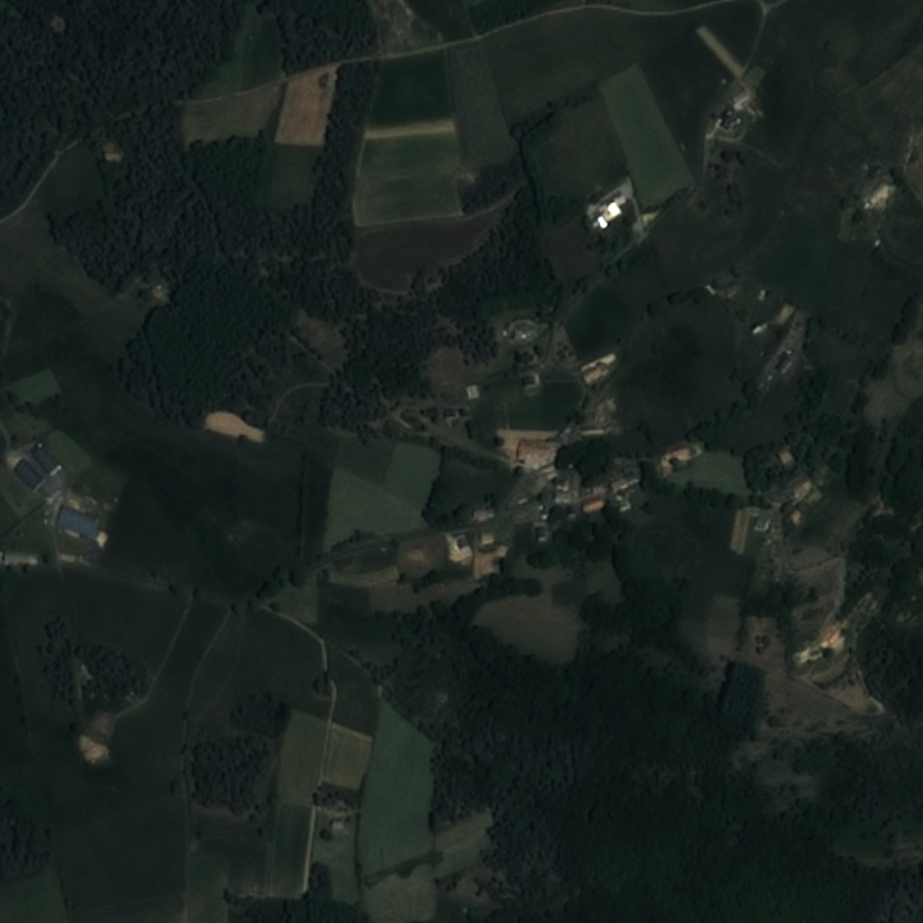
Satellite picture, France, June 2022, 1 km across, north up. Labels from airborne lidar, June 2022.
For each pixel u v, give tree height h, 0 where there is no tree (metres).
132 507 0
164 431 0
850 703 0
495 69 0
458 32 0
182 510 0
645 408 0
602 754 18
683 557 0
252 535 0
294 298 13
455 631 14
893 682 12
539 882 12
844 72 0
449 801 6
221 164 22
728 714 25
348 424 20
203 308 27
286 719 10
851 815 15
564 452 16
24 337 0
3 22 23
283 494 0
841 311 0
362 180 0
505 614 0
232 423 0
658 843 22
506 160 0
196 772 10
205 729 6
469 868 0
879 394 0
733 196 8
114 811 0
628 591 13
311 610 0
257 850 0
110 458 0
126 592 0
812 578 0
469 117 0
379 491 0
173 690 0
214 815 0
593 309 0
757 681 26
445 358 0
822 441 11
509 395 0
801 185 0
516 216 11
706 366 0
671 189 0
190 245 15
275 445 0
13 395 11
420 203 0
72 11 14
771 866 22
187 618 0
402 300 7
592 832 19
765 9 0
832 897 20
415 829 0
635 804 28
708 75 0
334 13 26
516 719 15
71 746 0
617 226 0
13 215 0
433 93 0
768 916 14
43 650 11
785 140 0
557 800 14
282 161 0
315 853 0
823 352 0
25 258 0
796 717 0
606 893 15
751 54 0
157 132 13
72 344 0
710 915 19
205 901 0
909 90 0
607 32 0
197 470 0
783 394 0
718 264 0
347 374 14
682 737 10
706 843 15
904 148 0
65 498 0
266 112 0
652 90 0
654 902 21
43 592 0
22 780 0
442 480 8
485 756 13
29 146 17
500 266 10
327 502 0
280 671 0
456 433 0
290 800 0
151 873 0
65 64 25
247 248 18
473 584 0
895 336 11
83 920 0
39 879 0
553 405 0
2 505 0
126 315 0
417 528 0
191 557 0
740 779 14
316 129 0
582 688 12
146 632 0
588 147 0
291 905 13
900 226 0
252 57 0
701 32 0
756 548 0
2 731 0
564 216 20
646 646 10
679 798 27
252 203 21
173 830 0
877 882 18
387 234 0
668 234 0
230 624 0
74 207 0
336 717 0
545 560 19
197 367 27
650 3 0
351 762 0
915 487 6
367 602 0
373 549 0
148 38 16
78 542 0
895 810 16
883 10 0
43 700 0
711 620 0
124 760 0
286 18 19
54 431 0
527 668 16
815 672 0
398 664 12
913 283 0
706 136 0
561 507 10
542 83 0
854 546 10
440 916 0
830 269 0
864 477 12
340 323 8
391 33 0
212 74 13
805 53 0
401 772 0
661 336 0
